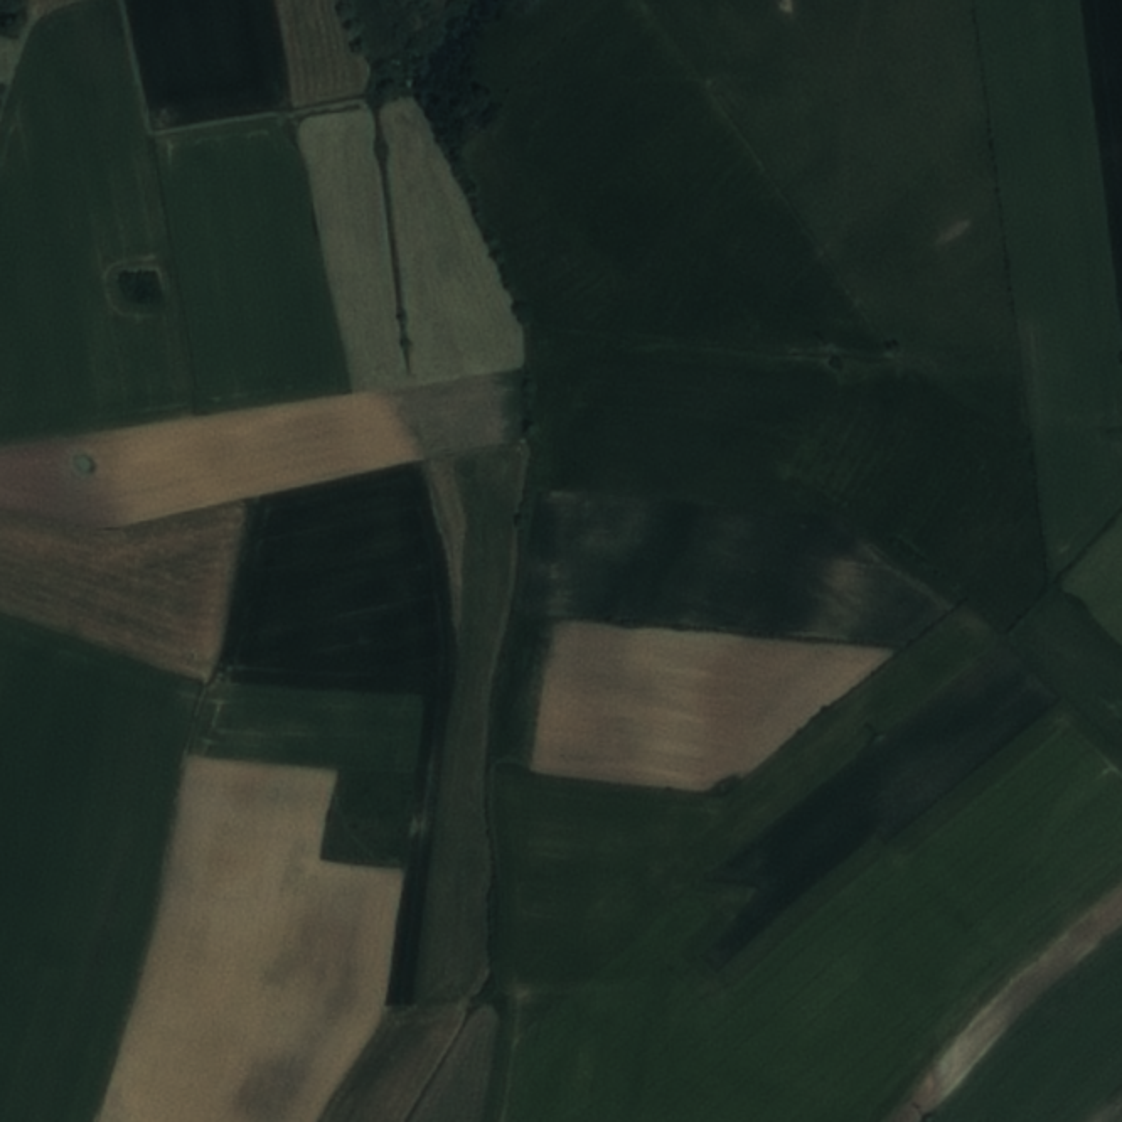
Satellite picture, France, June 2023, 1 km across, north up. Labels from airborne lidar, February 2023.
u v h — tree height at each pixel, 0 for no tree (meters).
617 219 0
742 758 0
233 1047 0
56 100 0
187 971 0
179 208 0
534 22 0
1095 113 0
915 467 0
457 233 0
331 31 0
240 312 0
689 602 0
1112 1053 0
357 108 0
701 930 0
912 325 0
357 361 0
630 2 0
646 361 0
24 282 0
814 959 0
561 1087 0
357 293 0
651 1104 0
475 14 16
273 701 0
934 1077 0
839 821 0
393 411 0
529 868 0
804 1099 0
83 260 0
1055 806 0
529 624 0
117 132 0
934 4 0
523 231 0
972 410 0
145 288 7
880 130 0
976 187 0
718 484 0
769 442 0
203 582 0
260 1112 0
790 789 0
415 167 0
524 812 0
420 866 0
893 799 0
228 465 0
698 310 0
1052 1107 0
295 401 0
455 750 0
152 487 0
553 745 0
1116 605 0
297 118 0
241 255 0
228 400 0
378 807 0
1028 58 0
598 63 0
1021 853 0
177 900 0
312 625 0
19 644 0
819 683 0
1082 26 0
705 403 0
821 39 0
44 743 0
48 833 0
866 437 0
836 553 0
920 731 0
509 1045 0
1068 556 0
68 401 0
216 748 0
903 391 0
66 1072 0
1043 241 0
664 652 0
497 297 0
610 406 0
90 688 0
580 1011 0
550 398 0
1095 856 0
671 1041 0
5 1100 0
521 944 0
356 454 0
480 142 0
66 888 0
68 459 0
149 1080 0
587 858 0
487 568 0
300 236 0
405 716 0
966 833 0
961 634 0
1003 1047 0
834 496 0
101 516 0
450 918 0
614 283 0
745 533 0
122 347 0
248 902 0
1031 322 0
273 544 0
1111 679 0
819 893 0
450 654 0
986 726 0
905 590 0
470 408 0
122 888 0
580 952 0
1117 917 0
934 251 0
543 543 0
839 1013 0
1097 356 0
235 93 0
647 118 0
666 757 0
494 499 0
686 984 0
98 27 0
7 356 0
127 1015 0
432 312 0
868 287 0
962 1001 0
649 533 0
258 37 0
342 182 0
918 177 0
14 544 0
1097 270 0
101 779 0
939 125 0
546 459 0
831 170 0
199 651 0
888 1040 0
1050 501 0
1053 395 0
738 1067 0
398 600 0
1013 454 0
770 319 0
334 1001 0
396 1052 0
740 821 0
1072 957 0
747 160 0
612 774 0
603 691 0
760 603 0
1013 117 0
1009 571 0
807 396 0
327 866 0
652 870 0
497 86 0
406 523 0
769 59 0
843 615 0
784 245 0
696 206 0
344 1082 0
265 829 0
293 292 0
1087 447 0
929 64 0
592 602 0
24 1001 0
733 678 0
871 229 0
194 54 0
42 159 0
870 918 0
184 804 0
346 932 0
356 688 0
